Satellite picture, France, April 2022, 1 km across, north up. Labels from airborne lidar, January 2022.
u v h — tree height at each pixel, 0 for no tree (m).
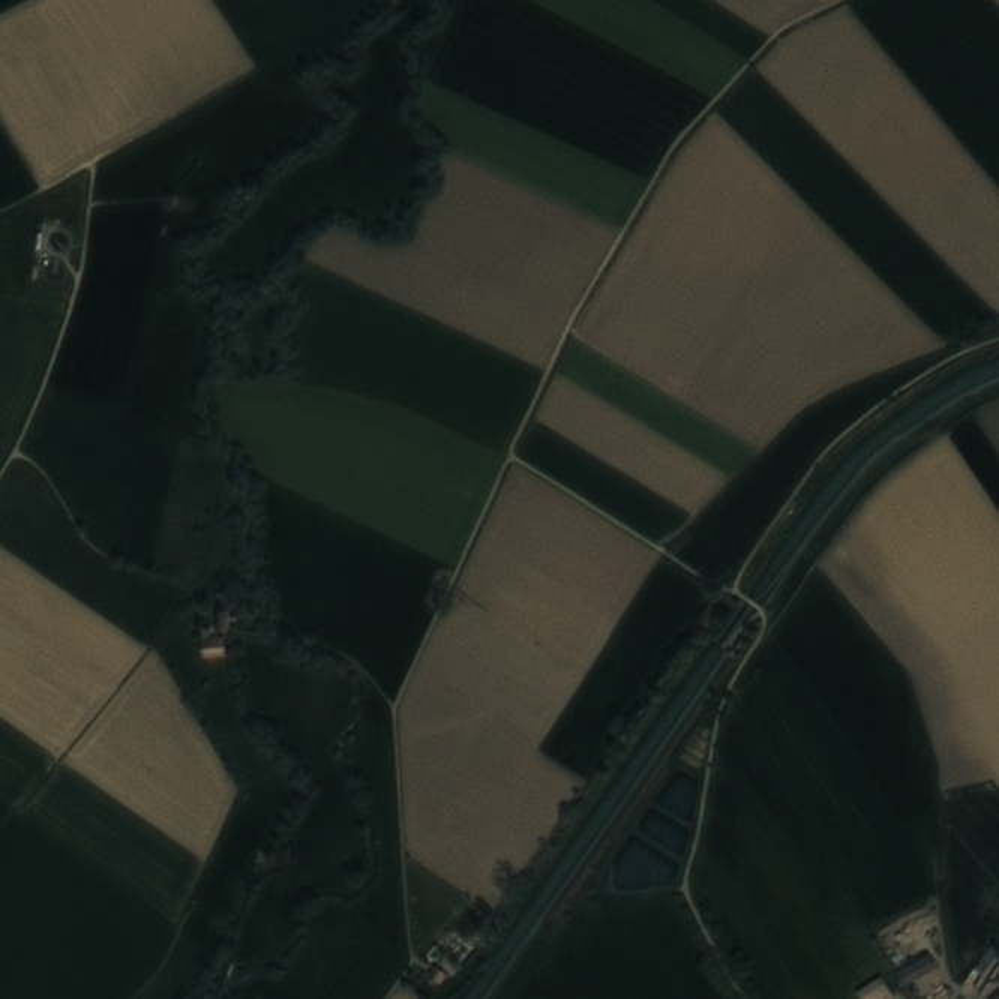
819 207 0
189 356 0
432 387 0
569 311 0
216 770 0
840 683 0
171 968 0
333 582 0
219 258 0
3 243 0
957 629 0
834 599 0
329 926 0
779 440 0
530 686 0
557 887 0
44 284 0
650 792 0
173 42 0
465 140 0
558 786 0
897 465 0
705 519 0
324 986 0
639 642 0
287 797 0
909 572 0
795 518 0
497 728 0
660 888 0
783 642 0
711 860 0
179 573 0
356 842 0
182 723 0
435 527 0
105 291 0
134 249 0
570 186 0
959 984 0
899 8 0
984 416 0
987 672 0
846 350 0
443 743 0
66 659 0
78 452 0
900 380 0
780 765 0
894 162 0
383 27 19
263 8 0
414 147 0
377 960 0
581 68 0
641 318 0
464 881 0
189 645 0
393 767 0
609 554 0
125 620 0
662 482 0
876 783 0
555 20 0
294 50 0
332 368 0
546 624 0
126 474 0
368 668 0
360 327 0
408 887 0
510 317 0
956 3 0
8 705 0
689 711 0
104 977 0
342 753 8
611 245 0
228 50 0
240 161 0
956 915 0
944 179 0
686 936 0
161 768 0
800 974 0
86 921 0
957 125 0
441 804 0
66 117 0
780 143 0
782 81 0
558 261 0
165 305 0
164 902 0
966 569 0
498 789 0
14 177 0
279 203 0
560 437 0
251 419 0
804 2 0
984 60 0
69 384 0
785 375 0
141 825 0
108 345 0
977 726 0
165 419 0
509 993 0
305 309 18
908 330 0
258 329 0
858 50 0
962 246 0
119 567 12
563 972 0
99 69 0
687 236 0
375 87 0
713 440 0
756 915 0
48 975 0
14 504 0
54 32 0
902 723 0
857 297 0
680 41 0
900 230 0
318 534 0
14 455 0
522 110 0
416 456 0
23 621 0
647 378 0
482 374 0
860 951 0
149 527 0
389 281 0
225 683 0
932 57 0
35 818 0
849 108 0
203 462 0
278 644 18
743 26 0
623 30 0
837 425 0
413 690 0
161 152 0
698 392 0
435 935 0
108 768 0
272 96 0
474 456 0
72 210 0
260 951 0
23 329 0
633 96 0
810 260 0
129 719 0
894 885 0
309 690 0
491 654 0
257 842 0
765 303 0
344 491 0
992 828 0
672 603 0
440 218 0
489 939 21
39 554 0
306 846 0
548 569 0
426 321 0
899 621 0
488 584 0
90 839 0
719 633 0
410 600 0
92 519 0
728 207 0
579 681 0
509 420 0
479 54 0
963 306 0
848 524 0
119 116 0
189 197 0
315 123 0
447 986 0
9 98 0
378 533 0
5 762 0
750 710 0
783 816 0
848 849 0
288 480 0
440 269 0
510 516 0
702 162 0
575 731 0
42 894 0
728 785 0
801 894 0
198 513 0
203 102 0
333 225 16
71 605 0
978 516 0
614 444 0
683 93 0
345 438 0
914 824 0
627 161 0
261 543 23
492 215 0
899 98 0
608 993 0
